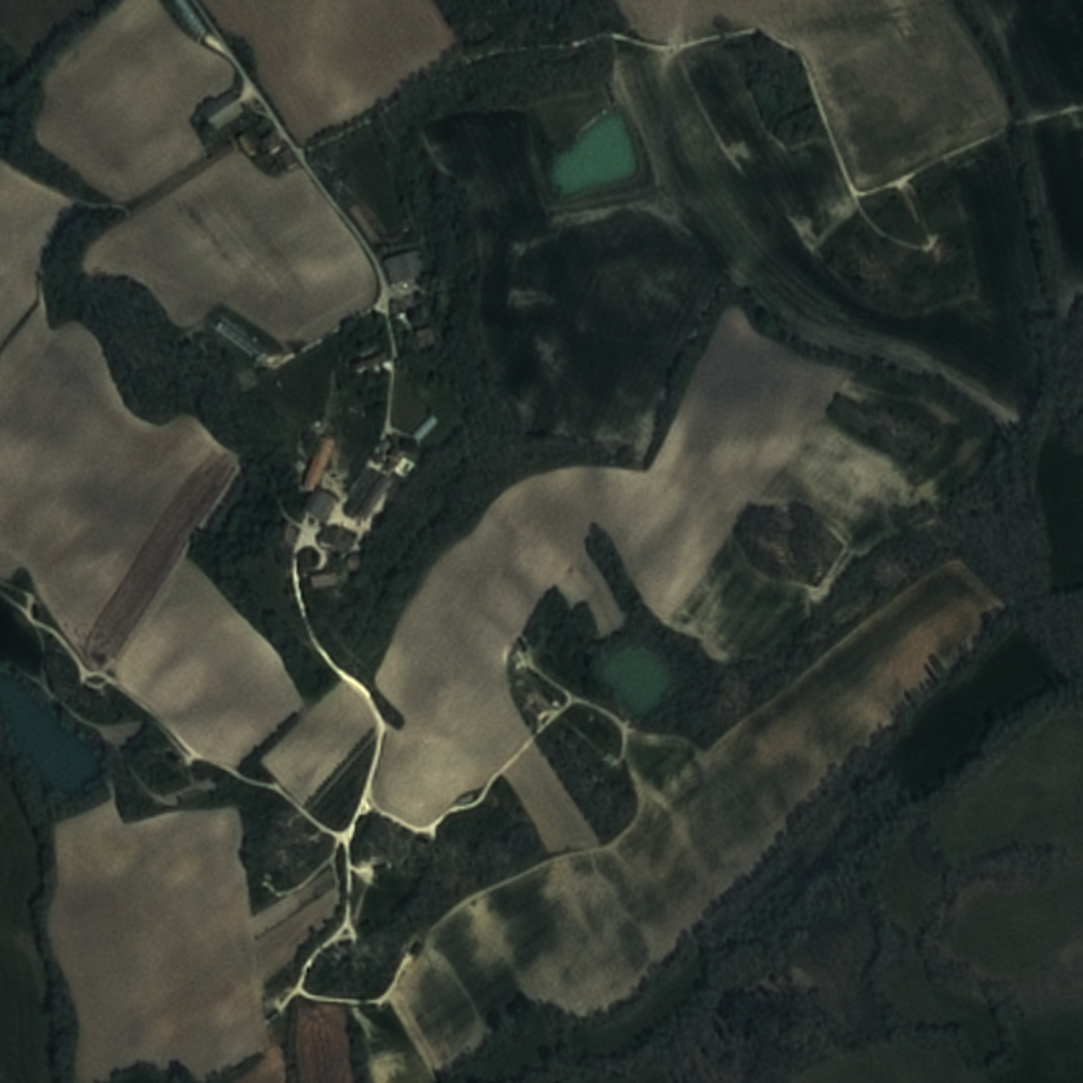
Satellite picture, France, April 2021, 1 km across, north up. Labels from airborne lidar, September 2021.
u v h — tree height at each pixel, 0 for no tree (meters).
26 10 0
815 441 0
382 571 19
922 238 0
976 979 11
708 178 0
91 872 0
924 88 0
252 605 13
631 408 0
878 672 0
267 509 11
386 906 0
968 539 13
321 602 0
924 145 0
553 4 15
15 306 0
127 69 0
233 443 20
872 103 0
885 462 0
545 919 0
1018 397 0
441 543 22
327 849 10
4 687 0
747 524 14
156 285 0
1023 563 21
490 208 0
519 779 0
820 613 15
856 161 0
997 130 0
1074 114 0
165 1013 0
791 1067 11
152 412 18
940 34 0
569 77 20
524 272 0
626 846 0
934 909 6
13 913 0
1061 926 0
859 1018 10
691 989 0
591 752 9
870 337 0
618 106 0
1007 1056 7
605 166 0
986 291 0
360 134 8
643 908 0
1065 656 18
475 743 0
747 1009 18
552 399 0
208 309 0
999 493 12
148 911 0
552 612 7
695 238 0
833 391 0
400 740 0
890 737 19
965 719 0
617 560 10
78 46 13
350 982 13
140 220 0
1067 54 0
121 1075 10
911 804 11
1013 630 17
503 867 18
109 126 0
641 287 0
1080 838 0
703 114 0
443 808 0
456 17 16
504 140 0
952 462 0
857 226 0
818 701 0
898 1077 0
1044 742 0
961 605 0
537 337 0
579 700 0
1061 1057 0
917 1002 0
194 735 0
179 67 0
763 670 9
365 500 9
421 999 0
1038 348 13
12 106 15
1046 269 21
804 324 0
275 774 0
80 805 11
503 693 0
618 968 0
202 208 0
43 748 0
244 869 10
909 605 0
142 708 0
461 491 24
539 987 0
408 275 0
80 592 0
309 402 0
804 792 0
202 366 16
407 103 15
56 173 18
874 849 23
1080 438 20
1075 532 0
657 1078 0
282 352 0
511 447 18
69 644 0
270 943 0
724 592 0
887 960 15
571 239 0
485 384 21
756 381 0
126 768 11
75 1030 9
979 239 0
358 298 0
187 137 0
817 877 14
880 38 0
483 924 0
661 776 0
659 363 0
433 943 0
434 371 14
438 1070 0
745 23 0
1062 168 0
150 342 18
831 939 8
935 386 15
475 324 17
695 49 0
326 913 0
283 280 0
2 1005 0
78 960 0
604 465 9
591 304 0
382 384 8
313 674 6
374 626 17
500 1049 14
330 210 0
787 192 0
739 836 0
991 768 12
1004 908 0
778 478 0
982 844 0
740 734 0
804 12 0
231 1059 0
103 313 21
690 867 0
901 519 11
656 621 10
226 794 6
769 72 9
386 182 0
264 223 0
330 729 0
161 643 0
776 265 0
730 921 18
